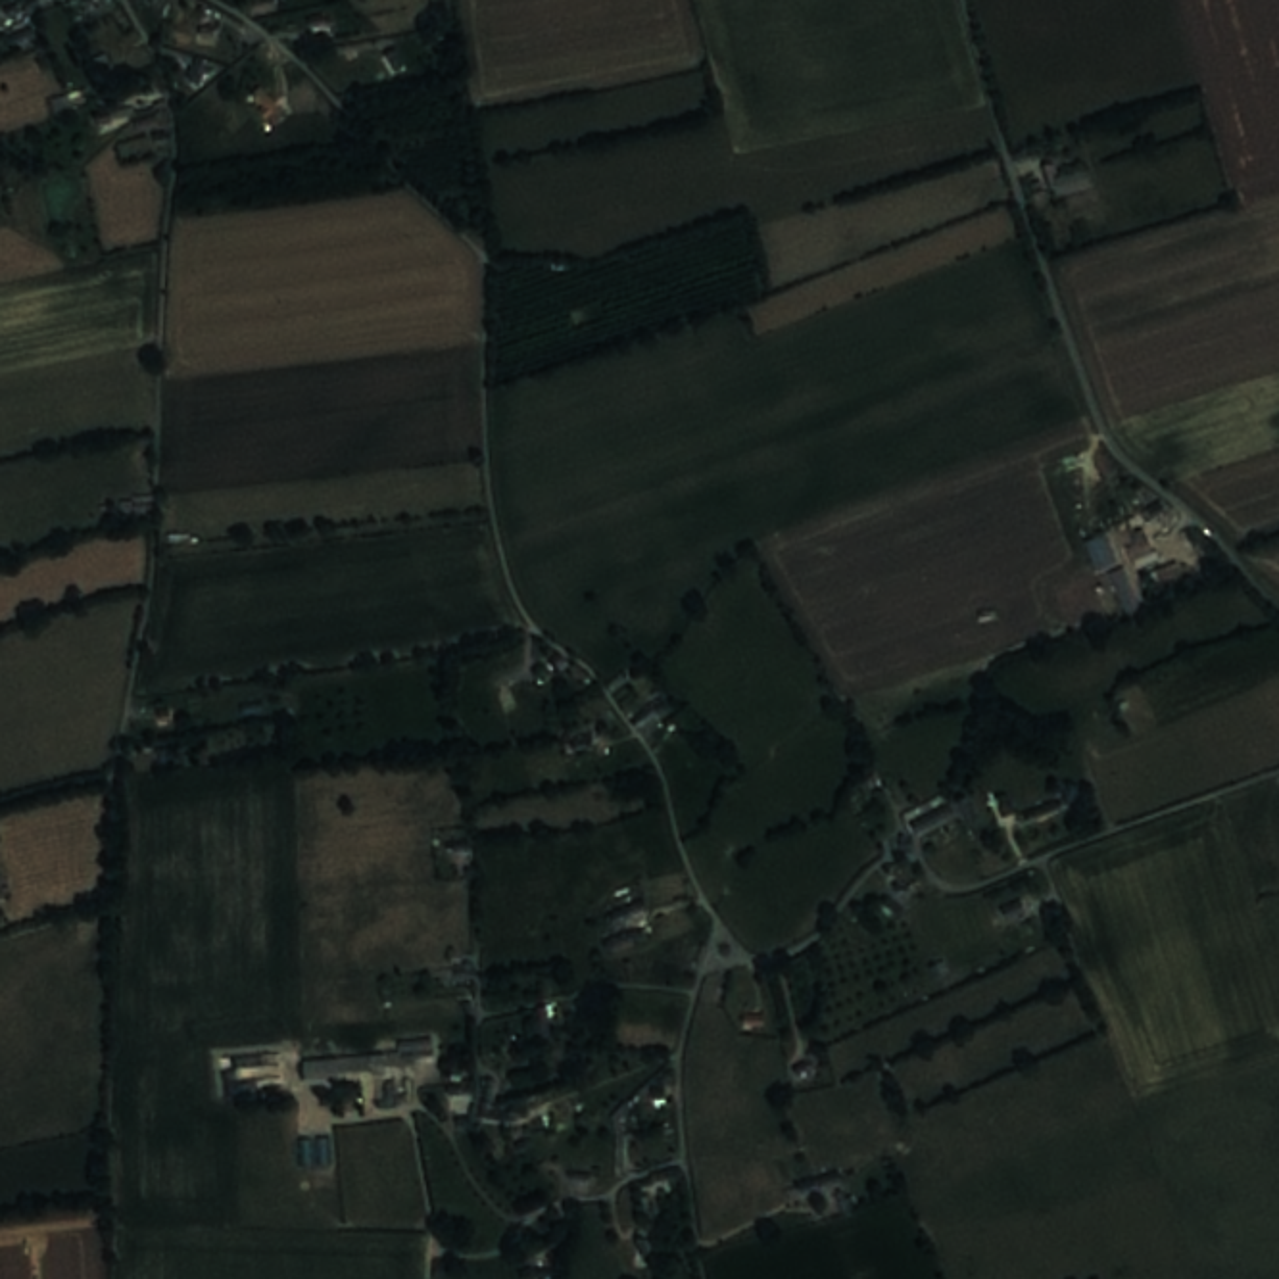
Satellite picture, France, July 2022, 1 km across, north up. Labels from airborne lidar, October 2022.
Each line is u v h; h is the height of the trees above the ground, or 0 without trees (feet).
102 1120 39
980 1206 0
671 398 0
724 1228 0
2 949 0
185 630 0
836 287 0
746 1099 0
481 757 57
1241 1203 0
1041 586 0
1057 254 37
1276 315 0
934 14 0
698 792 0
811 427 0
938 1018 0
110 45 0
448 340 0
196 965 0
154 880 0
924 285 0
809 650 18
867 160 0
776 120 0
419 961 0
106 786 43
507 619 0
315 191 32
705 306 17
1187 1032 0
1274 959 0
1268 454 0
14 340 0
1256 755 0
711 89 35
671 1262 27
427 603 0
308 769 51
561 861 0
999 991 0
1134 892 0
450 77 31
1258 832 0
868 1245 0
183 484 0
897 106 0
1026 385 0
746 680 0
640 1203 40
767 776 0
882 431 0
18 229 0
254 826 0
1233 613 0
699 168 0
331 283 0
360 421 0
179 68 35
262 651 0
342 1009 0
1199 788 0
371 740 0
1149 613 31
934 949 0
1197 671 0
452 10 57
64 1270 0
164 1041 0
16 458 19
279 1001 0
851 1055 0
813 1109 0
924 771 0
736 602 0
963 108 0
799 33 0
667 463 0
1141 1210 0
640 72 0
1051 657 48
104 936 35
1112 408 0
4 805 33
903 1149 0
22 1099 0
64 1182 0
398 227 0
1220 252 0
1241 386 0
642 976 0
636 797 33
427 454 0
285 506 0
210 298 0
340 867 0
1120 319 0
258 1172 0
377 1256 0
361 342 0
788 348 0
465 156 32
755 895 0
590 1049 33
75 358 0
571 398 0
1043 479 0
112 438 45
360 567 0
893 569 0
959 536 0
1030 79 0
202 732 31
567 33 0
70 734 0
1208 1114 0
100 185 0
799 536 0
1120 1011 0
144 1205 0
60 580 0
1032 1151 0
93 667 0
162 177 38
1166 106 32
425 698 0
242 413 0
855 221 0
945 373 0
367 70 0
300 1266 0
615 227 0
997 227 0
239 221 0
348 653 0
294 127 0
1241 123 0
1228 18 0
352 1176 0
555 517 0
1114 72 0
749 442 0
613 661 0
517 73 0
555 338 18
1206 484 0
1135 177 0
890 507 0
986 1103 0
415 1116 25
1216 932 0
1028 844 24
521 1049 52
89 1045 0
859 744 42
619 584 0
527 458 0
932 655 0
